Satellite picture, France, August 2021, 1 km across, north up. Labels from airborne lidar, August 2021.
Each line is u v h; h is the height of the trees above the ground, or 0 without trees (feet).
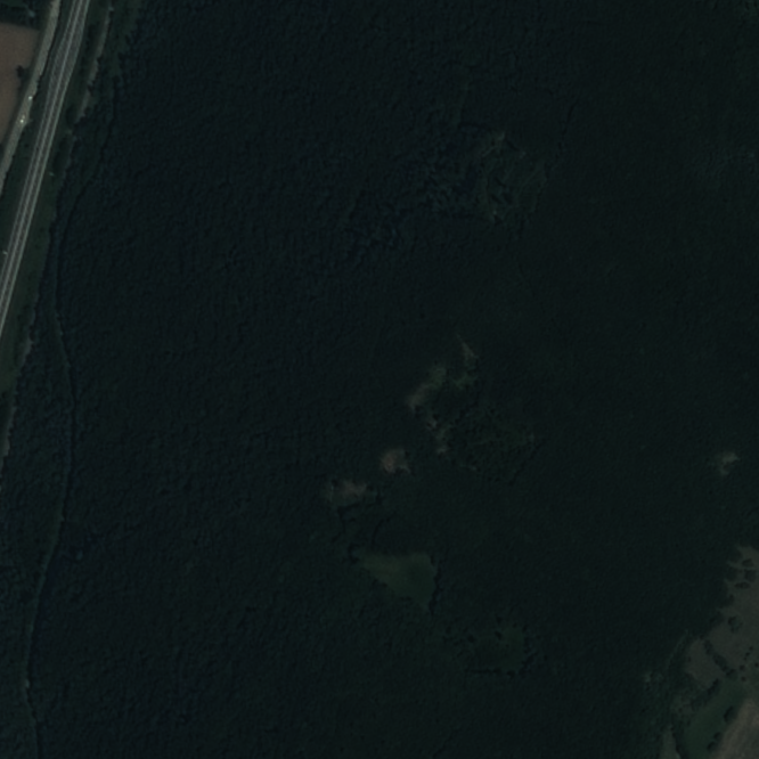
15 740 51
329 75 77
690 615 43
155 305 76
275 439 97
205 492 93
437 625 68
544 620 73
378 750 58
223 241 82
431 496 53
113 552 97
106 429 81
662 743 31
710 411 50
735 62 59
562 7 78
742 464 33
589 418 68
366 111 67
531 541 57
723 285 76
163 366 72
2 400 25
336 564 76
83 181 54
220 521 86
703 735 0
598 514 63
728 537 40
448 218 72
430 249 78
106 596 82
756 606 0
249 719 87
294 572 81
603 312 46
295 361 62
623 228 55
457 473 60
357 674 75
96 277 83
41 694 47
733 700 0
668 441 55
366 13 81
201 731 85
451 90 79
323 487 77
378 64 79
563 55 76
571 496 63
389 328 53
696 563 52
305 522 75
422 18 74
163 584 89
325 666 71
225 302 88
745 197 63
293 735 80
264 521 89
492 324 50
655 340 55
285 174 87
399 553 78
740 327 72
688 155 75
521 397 83
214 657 92
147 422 99
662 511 52
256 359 79
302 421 83
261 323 80
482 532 51
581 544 56
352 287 71
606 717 75
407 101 82
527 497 72
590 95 57
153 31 54
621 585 63
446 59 68
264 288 77
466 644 32
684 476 49
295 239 92
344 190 82
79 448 90
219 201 77
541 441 42
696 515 45
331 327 74
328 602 72
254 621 84
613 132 73
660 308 56
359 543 47
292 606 89
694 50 55
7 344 0
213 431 82
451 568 56
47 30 0
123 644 71
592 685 77
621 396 67
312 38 96
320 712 73
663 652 58
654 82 78
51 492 70
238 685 86
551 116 25
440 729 45
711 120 64
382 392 58
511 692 71
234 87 53
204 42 65
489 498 63
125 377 76
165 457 90
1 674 57
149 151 60
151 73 57
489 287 32
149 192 70
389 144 77
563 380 49
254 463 96
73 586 83
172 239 78
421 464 72
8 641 57
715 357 39
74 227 56
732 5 46
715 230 73
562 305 50
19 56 0
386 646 76
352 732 41
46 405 51
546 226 43
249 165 73
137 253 91
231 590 88
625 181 78
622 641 75
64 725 60
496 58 68
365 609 70
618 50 63
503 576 65
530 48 74
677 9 57
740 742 0
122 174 75
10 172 22
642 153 74
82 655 76
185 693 82
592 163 73
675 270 25
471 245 71
